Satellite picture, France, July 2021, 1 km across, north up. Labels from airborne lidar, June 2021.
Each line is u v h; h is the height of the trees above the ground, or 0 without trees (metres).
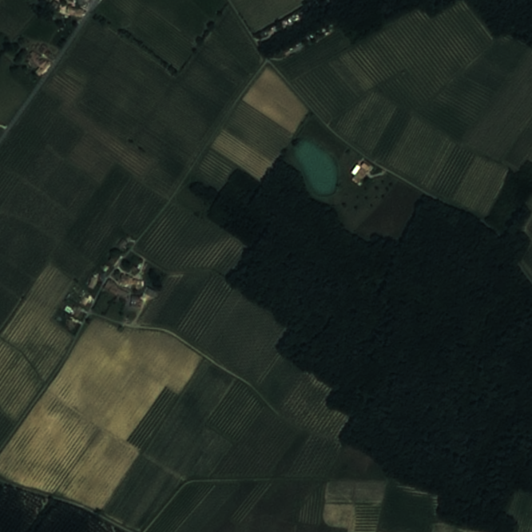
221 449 0
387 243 22
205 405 0
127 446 0
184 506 0
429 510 0
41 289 0
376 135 0
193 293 0
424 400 24
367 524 0
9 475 0
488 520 17
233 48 0
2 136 0
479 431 19
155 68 0
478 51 0
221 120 0
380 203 0
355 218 0
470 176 0
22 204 0
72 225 0
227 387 0
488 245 26
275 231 19
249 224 8
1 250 0
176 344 0
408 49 0
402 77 0
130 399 0
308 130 0
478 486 22
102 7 0
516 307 12
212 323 0
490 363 20
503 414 19
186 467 0
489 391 22
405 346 19
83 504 0
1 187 0
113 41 0
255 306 0
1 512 21
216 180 0
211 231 0
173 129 0
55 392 0
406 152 0
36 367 0
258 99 0
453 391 23
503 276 21
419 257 20
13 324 0
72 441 0
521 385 23
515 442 12
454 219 23
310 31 13
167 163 0
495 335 15
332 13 21
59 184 0
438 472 15
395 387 21
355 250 24
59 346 0
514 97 0
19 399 0
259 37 11
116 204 0
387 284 22
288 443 0
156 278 14
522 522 0
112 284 0
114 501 0
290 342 17
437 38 0
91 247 0
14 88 0
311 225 27
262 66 0
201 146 0
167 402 0
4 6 0
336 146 0
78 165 0
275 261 24
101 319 0
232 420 0
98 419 0
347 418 0
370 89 0
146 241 0
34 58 0
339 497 0
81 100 0
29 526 17
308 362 17
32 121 0
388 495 0
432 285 24
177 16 0
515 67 0
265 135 0
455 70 0
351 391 22
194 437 0
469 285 25
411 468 18
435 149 0
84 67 0
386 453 13
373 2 15
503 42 0
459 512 11
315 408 0
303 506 0
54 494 0
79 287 0
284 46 13
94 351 0
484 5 15
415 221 17
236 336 0
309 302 20
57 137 0
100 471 0
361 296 23
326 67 0
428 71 0
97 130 0
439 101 0
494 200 0
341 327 25
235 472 0
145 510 0
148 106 0
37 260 0
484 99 0
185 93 0
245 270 17
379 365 20
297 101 0
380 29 9
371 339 12
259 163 0
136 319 0
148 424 0
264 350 0
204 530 0
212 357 0
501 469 18
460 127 0
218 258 0
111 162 0
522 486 9
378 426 19
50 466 0
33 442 0
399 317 26
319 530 0
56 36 0
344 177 0
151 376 0
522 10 18
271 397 0
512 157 0
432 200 15
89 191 0
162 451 0
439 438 19
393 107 0
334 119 0
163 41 0
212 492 0
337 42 0
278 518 0
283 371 0
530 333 24
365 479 0
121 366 0
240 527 0
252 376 0
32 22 0
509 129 0
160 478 0
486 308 21
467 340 16
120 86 0
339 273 24
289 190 21
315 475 0
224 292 0
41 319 0
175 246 0
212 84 0
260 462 0
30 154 0
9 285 0
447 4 16
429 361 19
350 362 20
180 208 0
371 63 0
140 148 6
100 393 0
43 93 0
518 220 25
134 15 0
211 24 12
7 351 0
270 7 0
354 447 14
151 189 0
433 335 25
